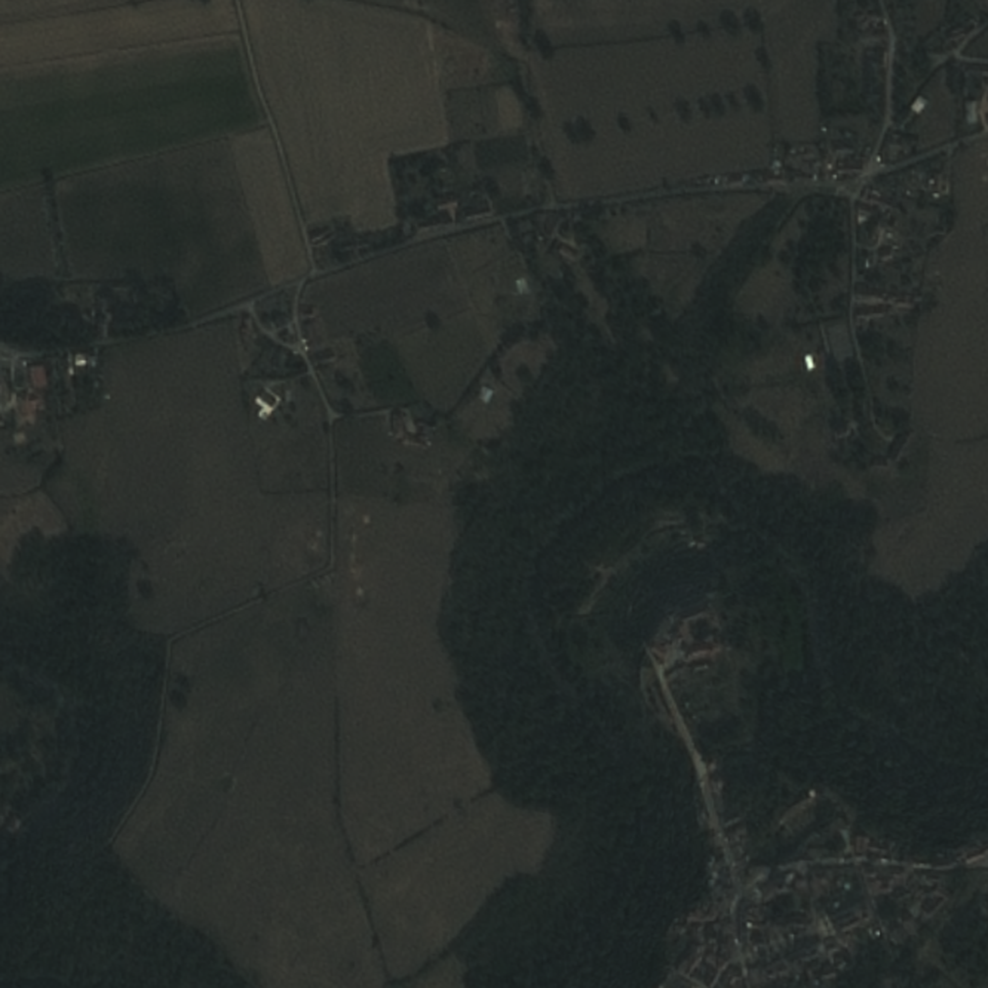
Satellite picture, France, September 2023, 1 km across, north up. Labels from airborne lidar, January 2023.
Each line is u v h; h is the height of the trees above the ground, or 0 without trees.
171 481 0
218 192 0
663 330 24
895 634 14
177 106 0
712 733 13
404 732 0
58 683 25
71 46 0
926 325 0
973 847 0
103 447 0
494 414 0
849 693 24
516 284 0
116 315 17
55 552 12
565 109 0
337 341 0
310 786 0
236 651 0
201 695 0
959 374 0
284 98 0
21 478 0
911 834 8
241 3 0
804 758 9
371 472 0
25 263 0
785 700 27
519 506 17
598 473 13
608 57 0
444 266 0
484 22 0
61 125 0
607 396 12
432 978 0
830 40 0
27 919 15
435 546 0
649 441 28
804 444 0
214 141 0
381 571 0
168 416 0
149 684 12
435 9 0
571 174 0
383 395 0
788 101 0
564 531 21
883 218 9
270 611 0
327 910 0
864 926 8
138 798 0
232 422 0
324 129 0
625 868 29
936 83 0
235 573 0
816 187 0
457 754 0
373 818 0
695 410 12
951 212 8
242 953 0
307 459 0
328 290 0
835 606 34
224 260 0
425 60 0
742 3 0
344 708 0
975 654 16
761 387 0
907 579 0
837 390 18
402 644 0
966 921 17
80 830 10
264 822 0
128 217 0
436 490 0
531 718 12
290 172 0
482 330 0
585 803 10
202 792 0
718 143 0
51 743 8
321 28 0
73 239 0
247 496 0
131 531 0
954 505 0
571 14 0
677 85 0
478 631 12
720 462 16
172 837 0
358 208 0
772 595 21
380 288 0
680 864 24
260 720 0
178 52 0
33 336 19
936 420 0
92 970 10
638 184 0
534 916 9
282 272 0
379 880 0
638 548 0
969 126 0
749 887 0
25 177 0
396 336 0
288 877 0
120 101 0
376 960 0
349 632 0
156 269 0
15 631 23
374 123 0
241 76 0
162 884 0
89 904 13
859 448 15
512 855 0
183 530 0
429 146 0
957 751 26
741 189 0
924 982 13
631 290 12
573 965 22
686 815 8
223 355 0
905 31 7
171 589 0
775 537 34
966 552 0
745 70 0
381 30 0
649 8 0
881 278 8
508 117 0
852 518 14
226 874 0
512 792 14
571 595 23
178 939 14
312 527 0
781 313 0
